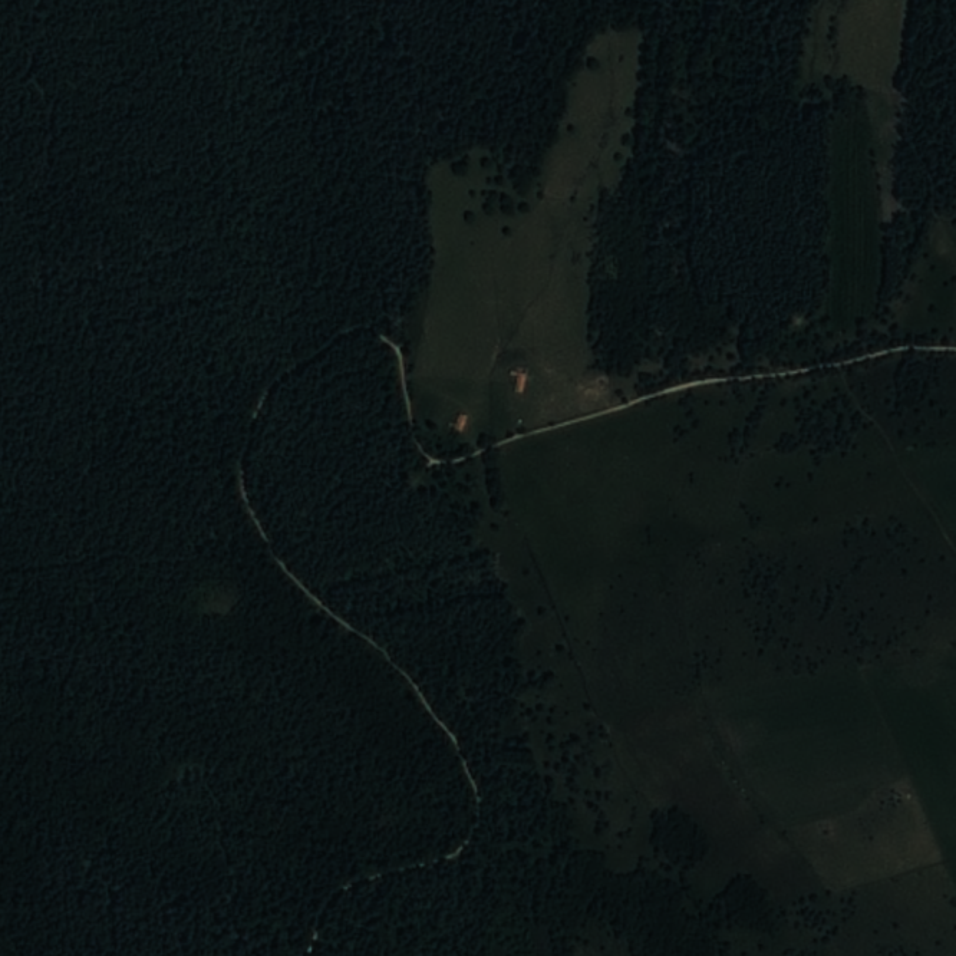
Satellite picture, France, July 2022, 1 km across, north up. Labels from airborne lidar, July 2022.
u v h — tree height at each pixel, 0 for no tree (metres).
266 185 17
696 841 13
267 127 12
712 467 0
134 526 15
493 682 11
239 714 17
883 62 0
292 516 16
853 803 0
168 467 16
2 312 17
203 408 13
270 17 21
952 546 0
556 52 17
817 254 23
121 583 16
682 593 0
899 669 0
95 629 19
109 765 14
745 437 6
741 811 0
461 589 9
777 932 6
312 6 15
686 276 12
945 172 17
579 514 0
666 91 13
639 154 15
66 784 13
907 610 0
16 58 13
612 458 0
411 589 16
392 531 15
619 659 0
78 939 16
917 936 0
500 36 21
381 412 16
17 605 15
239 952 20
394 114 21
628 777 0
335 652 19
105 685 17
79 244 19
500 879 9
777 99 18
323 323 18
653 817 10
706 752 0
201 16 19
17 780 13
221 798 14
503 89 23
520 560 0
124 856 16
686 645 0
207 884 18
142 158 21
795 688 0
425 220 21
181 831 15
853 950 0
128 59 16
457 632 16
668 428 0
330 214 13
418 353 0
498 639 16
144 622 18
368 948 12
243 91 17
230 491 20
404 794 10
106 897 21
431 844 16
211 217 18
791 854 0
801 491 0
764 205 20
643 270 10
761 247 24
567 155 0
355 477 13
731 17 22
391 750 12
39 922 19
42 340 14
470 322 0
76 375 16
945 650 0
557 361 0
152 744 15
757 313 20
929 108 16
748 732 0
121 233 16
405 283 16
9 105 15
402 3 20
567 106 14
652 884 10
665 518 0
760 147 21
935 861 0
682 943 8
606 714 0
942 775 0
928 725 0
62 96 19
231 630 9
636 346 14
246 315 13
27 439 15
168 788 10
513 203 8
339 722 10
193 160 18
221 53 18
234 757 16
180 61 12
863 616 8
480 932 12
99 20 15
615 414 0
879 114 0
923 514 0
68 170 18
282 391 17
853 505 0
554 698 0
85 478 16
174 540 14
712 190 20
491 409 0
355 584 15
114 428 11
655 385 9
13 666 17
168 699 14
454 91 17
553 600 0
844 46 0
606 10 15
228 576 9
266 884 16
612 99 0
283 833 7
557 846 7
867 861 0
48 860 20
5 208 17
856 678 0
